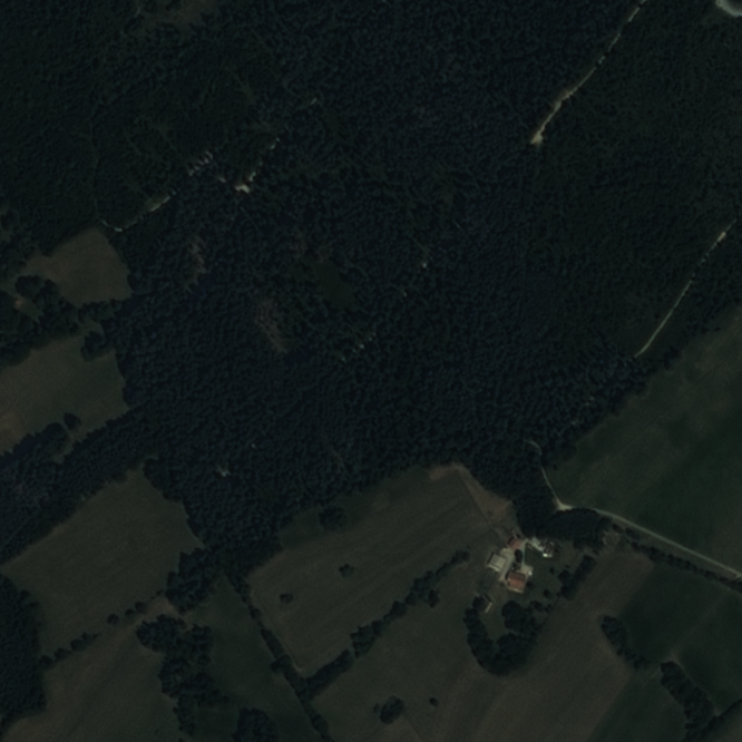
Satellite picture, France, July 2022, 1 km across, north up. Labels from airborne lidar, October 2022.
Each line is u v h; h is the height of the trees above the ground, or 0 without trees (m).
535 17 21
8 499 34
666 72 7
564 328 12
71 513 20
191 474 38
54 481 22
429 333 16
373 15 23
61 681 0
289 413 26
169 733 0
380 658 0
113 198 10
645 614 0
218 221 32
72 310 28
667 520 0
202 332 35
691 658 0
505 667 22
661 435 0
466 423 26
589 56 37
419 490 0
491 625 0
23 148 7
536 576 0
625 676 0
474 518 0
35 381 0
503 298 20
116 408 0
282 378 32
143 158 8
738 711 7
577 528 17
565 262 14
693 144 6
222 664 0
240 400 26
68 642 0
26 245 24
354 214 30
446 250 23
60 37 6
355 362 35
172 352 35
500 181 15
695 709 19
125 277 0
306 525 0
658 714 0
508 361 19
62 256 0
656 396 0
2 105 9
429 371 25
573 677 0
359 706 0
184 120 11
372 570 0
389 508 0
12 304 17
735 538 0
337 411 35
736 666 0
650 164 11
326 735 10
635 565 0
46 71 10
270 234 38
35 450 32
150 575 0
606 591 0
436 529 0
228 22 11
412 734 0
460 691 0
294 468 24
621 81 8
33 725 0
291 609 0
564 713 0
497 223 30
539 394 24
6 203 20
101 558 0
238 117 7
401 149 32
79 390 0
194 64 15
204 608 0
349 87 30
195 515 28
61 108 7
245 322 33
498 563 0
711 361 0
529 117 8
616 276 10
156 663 0
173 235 28
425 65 36
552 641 0
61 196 9
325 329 36
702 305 14
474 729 0
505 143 33
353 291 34
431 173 33
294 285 34
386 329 27
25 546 22
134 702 0
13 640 12
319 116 16
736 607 0
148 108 11
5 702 12
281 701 0
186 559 19
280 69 7
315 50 29
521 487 21
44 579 0
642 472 0
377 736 0
